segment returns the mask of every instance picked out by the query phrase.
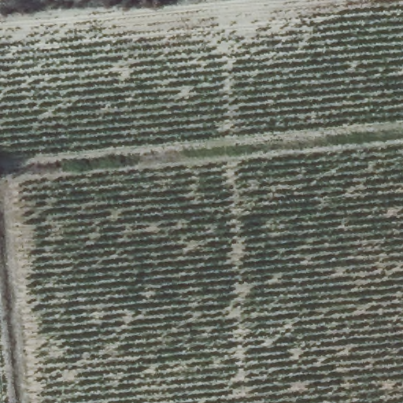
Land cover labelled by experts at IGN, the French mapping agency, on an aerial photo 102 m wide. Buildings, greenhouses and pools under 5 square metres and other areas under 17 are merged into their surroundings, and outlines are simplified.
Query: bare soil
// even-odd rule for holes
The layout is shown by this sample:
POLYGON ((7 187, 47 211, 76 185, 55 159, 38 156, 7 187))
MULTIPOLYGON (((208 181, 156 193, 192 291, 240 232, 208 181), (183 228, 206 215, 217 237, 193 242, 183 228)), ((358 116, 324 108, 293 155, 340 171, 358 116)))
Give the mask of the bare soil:
POLYGON ((0 0, 0 14, 11 16, 39 13, 46 9, 101 6, 112 8, 116 5, 123 9, 162 8, 179 0, 0 0))

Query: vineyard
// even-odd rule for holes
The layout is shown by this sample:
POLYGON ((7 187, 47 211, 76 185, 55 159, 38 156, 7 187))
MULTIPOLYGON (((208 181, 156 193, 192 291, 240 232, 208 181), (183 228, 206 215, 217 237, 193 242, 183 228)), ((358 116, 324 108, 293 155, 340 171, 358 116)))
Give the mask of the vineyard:
POLYGON ((116 5, 112 8, 101 6, 46 9, 39 13, 11 16, 0 14, 0 403, 403 403, 403 139, 334 145, 331 137, 353 132, 403 129, 403 0, 179 0, 162 8, 123 9, 116 5), (239 156, 184 157, 181 151, 235 145, 253 145, 257 151, 239 156), (90 168, 85 172, 58 170, 63 159, 91 159, 109 154, 139 154, 139 164, 90 168))

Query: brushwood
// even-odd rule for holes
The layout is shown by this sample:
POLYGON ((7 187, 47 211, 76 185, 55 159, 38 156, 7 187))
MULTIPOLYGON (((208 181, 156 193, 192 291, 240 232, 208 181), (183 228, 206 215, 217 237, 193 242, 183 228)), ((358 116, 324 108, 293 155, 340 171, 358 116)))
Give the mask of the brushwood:
POLYGON ((184 157, 239 156, 257 151, 253 145, 235 145, 181 151, 184 157))
POLYGON ((403 139, 403 129, 353 132, 331 137, 334 145, 403 139))
POLYGON ((139 164, 139 154, 109 154, 91 159, 63 159, 58 170, 85 172, 90 168, 139 164))

